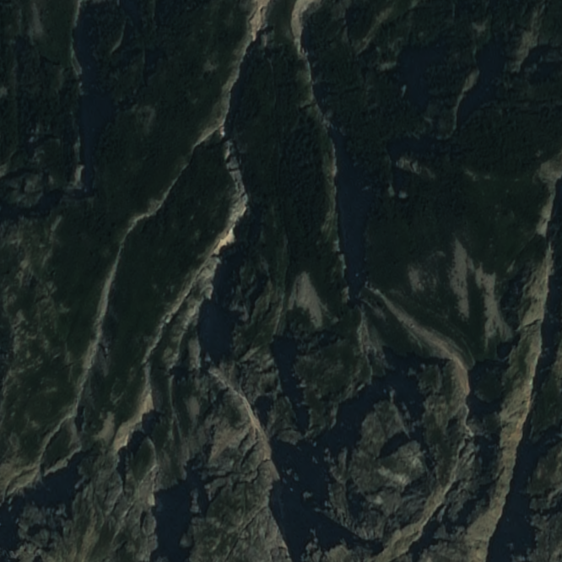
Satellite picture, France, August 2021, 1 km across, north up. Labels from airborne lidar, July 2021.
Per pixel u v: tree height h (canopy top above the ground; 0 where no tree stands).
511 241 0
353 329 0
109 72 8
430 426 0
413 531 0
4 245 0
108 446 0
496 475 0
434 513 0
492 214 0
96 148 6
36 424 0
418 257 0
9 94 9
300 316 0
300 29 0
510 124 6
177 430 0
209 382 0
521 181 0
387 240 0
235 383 0
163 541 0
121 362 0
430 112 0
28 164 8
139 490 0
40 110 7
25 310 0
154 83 0
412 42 7
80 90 0
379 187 8
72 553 0
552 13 0
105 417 0
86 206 6
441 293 0
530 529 0
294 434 0
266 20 0
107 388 0
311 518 0
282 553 0
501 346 0
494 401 0
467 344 0
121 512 0
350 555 0
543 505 0
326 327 0
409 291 0
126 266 0
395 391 0
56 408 0
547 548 0
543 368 0
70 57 0
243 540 0
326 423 0
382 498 0
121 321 0
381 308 9
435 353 0
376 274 0
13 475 0
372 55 6
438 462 0
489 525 0
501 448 0
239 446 0
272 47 0
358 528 0
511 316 0
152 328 0
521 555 0
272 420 0
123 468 0
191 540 0
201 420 0
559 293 0
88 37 10
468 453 0
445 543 0
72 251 0
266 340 0
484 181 0
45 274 0
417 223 0
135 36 5
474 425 0
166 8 8
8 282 0
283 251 0
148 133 0
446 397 0
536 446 0
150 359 0
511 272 0
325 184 12
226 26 0
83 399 0
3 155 8
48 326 0
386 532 0
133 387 0
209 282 0
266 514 0
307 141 7
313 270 0
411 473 0
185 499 0
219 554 0
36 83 7
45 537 0
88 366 0
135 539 0
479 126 6
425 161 7
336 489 0
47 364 0
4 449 0
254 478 0
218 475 0
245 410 0
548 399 0
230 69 0
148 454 0
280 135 6
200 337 0
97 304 0
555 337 0
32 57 10
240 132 0
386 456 0
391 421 0
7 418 0
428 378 0
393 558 0
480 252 0
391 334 0
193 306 0
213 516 0
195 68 10
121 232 0
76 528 0
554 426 0
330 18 0
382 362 0
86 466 0
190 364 0
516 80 6
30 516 0
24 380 0
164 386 0
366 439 0
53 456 0
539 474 0
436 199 0
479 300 0
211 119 0
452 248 0
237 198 0
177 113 10
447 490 0
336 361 0
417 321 0
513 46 0
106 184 0
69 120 8
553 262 0
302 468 0
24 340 0
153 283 0
